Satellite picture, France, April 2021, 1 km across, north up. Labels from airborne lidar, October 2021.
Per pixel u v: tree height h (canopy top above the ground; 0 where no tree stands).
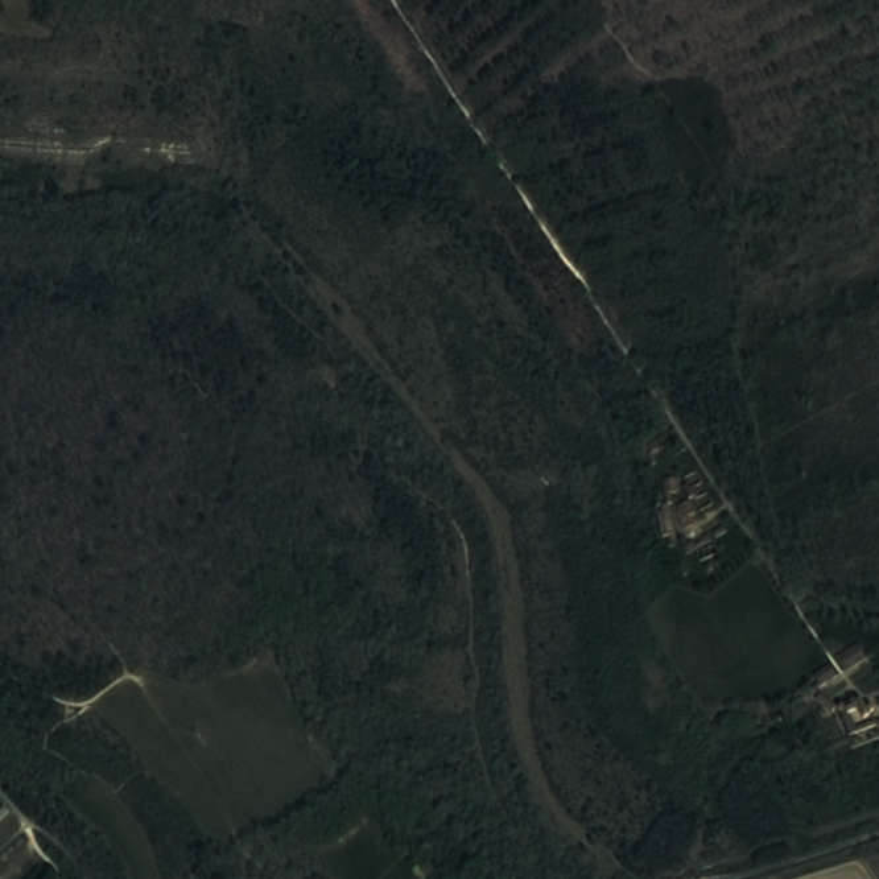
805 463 19
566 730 9
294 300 11
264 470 16
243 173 17
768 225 20
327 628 20
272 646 16
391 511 19
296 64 11
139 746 0
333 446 23
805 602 13
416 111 19
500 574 11
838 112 22
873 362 7
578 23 15
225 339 22
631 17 18
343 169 22
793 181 7
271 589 24
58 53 15
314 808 18
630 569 7
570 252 11
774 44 22
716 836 13
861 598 12
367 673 16
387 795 22
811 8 18
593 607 5
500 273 19
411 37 13
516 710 0
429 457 24
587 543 6
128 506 18
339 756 16
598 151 12
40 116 0
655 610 0
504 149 8
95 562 16
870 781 17
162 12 21
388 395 16
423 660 8
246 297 18
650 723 8
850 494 8
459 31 15
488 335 10
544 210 10
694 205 17
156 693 0
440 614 8
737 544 0
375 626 8
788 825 17
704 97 9
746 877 0
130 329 21
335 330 9
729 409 21
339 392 14
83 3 15
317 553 22
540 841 12
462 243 8
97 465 14
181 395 14
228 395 18
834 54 21
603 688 6
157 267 29
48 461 15
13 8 0
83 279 22
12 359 17
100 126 7
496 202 9
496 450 9
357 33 13
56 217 22
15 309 13
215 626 25
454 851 8
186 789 0
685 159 11
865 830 13
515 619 0
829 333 14
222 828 0
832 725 0
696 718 8
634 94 15
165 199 20
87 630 16
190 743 0
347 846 0
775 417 21
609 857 10
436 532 10
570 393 11
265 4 10
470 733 6
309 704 14
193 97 8
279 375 20
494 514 7
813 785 12
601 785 7
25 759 19
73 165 0
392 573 19
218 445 16
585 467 13
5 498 19
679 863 17
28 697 18
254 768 0
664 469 0
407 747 11
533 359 7
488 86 7
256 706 0
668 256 15
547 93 17
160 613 22
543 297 9
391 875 0
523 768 12
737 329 12
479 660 6
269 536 19
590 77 14
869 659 12
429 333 0
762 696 0
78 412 14
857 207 20
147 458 18
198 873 14
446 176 20
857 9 19
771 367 11
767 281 6
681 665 0
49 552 16
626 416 18
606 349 12
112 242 23
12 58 10
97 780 0
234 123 10
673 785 11
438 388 0
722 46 14
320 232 6
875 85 23
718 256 16
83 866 12
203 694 0
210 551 16
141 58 8
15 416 15
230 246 24
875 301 6
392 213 13
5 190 17
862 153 24
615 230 12
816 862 0
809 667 0
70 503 18
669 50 16
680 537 11
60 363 16
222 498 9
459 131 8
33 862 0
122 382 15
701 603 0
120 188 5
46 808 6
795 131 18
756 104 16
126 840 0
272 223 8
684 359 23
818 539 9
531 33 12
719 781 19
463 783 15
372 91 11
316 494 14
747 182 13
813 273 18
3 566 19
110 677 16
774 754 21
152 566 17
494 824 16
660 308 13
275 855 18
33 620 17
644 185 14
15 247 20
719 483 11
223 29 19
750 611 0
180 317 19
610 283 11
